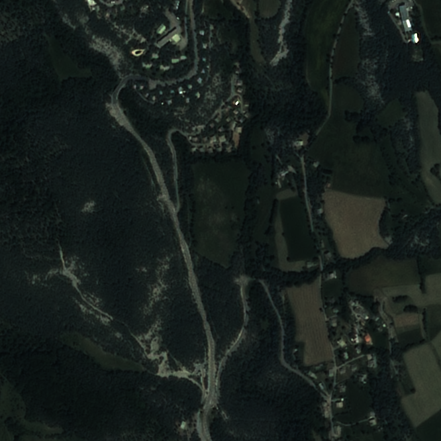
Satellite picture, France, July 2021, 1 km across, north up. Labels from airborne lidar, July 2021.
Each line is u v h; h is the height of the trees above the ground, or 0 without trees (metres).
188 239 10
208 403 0
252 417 9
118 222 17
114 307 12
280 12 10
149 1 8
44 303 9
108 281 10
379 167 0
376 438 0
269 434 11
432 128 0
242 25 21
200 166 0
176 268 8
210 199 0
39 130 12
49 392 33
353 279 0
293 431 22
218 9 0
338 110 0
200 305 0
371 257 16
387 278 0
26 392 21
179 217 10
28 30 16
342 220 0
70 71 0
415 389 8
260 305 11
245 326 8
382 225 8
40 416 8
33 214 12
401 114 0
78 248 8
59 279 6
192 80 9
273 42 9
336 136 0
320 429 8
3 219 14
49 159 15
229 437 14
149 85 11
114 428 15
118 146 12
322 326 0
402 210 8
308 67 0
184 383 8
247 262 11
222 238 0
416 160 8
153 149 7
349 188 0
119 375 18
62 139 13
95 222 16
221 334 7
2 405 0
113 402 28
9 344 13
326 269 9
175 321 10
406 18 0
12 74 17
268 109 19
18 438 17
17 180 12
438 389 0
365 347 13
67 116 8
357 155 0
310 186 13
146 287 6
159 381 8
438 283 0
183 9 11
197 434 6
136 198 10
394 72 18
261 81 11
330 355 0
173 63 9
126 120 0
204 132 8
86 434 14
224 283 17
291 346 12
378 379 16
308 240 0
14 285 9
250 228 18
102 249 14
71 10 6
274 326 6
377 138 15
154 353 0
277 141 7
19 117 17
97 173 12
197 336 6
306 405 23
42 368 28
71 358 23
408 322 0
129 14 6
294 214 0
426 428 0
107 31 7
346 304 7
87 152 11
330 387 8
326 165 0
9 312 13
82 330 9
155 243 10
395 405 9
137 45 9
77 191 12
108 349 7
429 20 0
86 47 9
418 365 0
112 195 14
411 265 0
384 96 9
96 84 17
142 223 11
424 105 0
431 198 10
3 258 9
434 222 9
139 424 13
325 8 0
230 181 0
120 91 6
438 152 0
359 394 0
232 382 12
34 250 11
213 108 6
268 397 9
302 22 14
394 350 8
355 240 0
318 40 0
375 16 10
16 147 22
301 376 13
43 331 16
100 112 11
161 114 7
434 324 0
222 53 9
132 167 16
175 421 8
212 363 0
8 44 11
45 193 15
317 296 0
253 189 20
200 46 11
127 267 14
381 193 0
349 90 0
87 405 31
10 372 25
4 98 21
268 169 0
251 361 18
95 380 24
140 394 19
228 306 12
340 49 0
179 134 10
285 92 11
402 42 15
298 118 13
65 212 14
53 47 0
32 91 17
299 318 0
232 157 11
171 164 11
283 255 0
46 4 11
